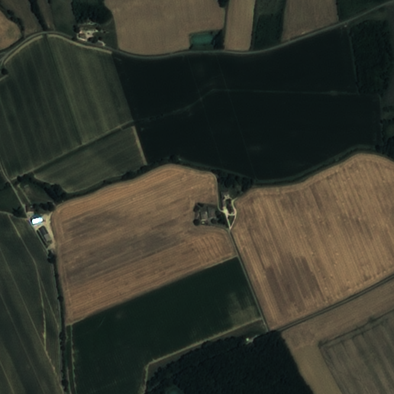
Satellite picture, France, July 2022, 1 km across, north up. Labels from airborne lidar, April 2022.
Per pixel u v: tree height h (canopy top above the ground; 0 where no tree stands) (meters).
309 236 0
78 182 0
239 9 0
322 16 0
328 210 0
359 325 0
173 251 0
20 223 0
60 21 0
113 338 0
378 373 0
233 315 0
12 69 0
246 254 0
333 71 0
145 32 0
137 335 0
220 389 10
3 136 0
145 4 0
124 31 0
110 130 0
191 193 0
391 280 0
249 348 10
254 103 0
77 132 0
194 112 0
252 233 0
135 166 0
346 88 0
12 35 0
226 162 0
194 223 12
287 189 0
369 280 0
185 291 0
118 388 0
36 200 0
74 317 0
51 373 0
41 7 0
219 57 0
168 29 0
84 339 0
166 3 0
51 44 0
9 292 0
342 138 0
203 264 0
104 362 0
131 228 0
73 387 0
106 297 0
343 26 0
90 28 0
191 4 0
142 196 0
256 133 0
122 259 0
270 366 17
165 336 0
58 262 0
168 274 0
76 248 0
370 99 0
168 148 0
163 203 0
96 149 0
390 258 0
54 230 0
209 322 0
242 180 12
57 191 19
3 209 0
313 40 0
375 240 0
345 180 0
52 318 0
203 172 0
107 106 0
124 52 0
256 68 0
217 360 21
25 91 0
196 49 0
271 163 0
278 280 0
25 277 0
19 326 0
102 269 0
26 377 0
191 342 0
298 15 0
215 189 0
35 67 0
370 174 0
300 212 0
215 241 0
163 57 0
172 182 0
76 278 0
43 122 0
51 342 0
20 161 0
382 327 0
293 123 0
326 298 0
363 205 0
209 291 0
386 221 0
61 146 0
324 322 0
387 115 0
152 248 0
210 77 0
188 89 0
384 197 0
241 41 0
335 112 0
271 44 0
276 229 0
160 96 0
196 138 0
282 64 0
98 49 0
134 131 0
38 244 0
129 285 0
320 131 0
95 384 0
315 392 0
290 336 0
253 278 0
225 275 0
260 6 0
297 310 0
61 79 0
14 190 0
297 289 0
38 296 0
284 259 0
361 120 0
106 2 0
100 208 0
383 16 0
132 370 0
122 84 0
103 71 0
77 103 0
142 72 0
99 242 0
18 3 0
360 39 8
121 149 0
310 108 0
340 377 0
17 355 0
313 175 0
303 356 0
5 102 0
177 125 0
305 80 0
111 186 0
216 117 0
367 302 0
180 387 16
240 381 15
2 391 0
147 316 0
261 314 0
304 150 0
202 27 0
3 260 0
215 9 0
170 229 0
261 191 0
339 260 0
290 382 16
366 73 9
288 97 0
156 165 9
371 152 0
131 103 0
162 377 15
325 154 0
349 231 0
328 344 0
